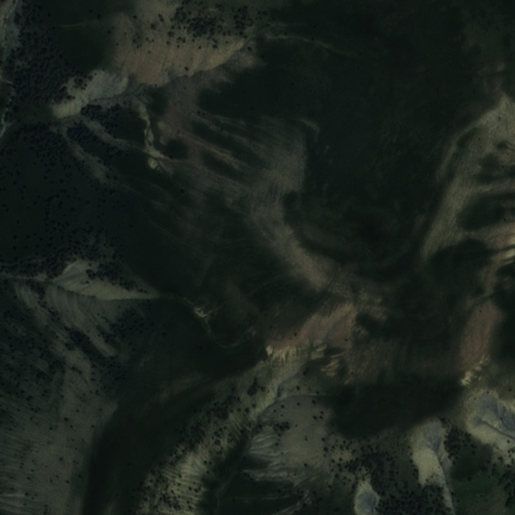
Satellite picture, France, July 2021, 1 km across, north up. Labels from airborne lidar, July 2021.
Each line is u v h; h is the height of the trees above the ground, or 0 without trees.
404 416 0
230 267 0
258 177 0
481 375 0
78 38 0
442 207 0
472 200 0
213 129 0
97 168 0
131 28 0
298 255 0
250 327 0
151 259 0
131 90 0
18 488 0
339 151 0
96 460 0
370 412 0
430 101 0
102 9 0
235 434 0
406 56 0
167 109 0
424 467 0
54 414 0
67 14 0
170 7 0
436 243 0
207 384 0
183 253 0
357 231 0
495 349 0
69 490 0
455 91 0
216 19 6
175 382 0
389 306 0
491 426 0
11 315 9
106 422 0
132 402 0
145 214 0
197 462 0
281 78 0
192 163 0
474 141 0
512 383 0
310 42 0
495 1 0
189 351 0
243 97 0
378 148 0
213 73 0
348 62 0
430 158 0
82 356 0
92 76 8
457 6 0
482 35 0
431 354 0
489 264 0
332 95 0
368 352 0
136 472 0
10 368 6
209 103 0
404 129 0
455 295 0
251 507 0
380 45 0
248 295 0
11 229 0
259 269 0
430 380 0
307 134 0
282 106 0
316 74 0
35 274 10
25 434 0
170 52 0
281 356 0
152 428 0
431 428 0
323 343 0
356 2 0
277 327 0
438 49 0
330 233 0
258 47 0
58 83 6
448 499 0
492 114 0
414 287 0
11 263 6
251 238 0
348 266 0
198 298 0
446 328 0
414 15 0
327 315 0
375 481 10
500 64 0
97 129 0
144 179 0
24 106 0
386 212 0
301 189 0
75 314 0
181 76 0
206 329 0
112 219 0
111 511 0
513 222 0
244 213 0
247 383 0
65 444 0
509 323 0
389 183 0
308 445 0
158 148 0
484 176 0
